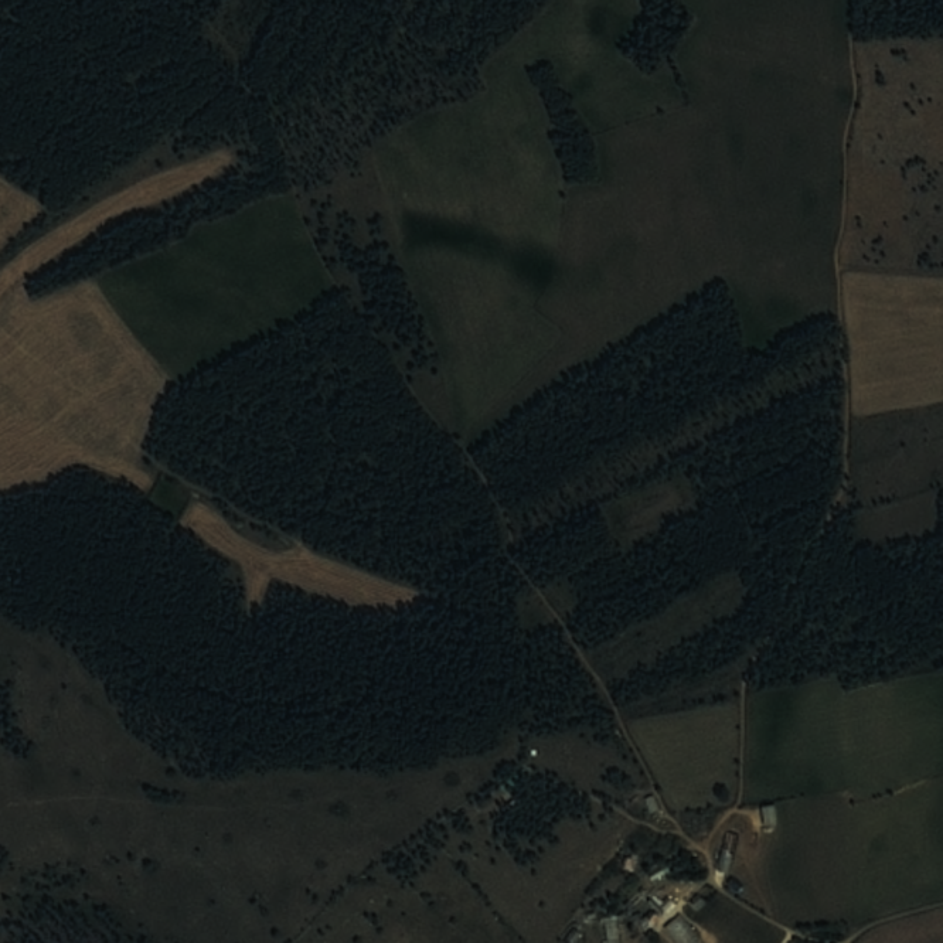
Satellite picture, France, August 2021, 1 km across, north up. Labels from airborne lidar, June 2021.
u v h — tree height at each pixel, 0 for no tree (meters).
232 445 15
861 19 15
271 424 14
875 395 0
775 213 0
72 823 0
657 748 0
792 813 0
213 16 13
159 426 16
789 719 0
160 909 0
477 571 20
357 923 0
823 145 0
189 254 0
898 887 0
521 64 0
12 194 0
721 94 0
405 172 0
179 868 0
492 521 21
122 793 0
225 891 0
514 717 13
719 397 19
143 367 0
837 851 0
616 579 11
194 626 20
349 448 16
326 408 14
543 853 9
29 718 0
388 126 15
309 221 10
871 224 0
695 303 17
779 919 0
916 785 0
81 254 12
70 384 0
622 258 0
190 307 0
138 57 19
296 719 18
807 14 0
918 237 0
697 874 7
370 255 8
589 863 0
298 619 17
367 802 0
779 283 0
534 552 15
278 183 14
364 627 19
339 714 6
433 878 0
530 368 0
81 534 17
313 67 17
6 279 0
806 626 12
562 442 17
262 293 0
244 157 10
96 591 16
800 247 0
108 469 0
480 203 0
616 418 21
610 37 0
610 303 0
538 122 0
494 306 0
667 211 0
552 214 0
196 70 14
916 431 0
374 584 0
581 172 13
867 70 0
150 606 19
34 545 16
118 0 14
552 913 0
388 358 14
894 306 0
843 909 0
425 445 13
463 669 18
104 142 12
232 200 12
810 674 14
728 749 0
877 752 0
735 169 0
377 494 15
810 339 21
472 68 13
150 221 12
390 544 16
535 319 0
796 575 11
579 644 11
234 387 16
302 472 15
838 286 0
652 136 0
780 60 0
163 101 14
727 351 15
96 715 0
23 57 15
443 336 0
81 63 12
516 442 19
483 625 21
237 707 15
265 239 0
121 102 15
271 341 10
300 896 0
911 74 0
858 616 14
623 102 0
